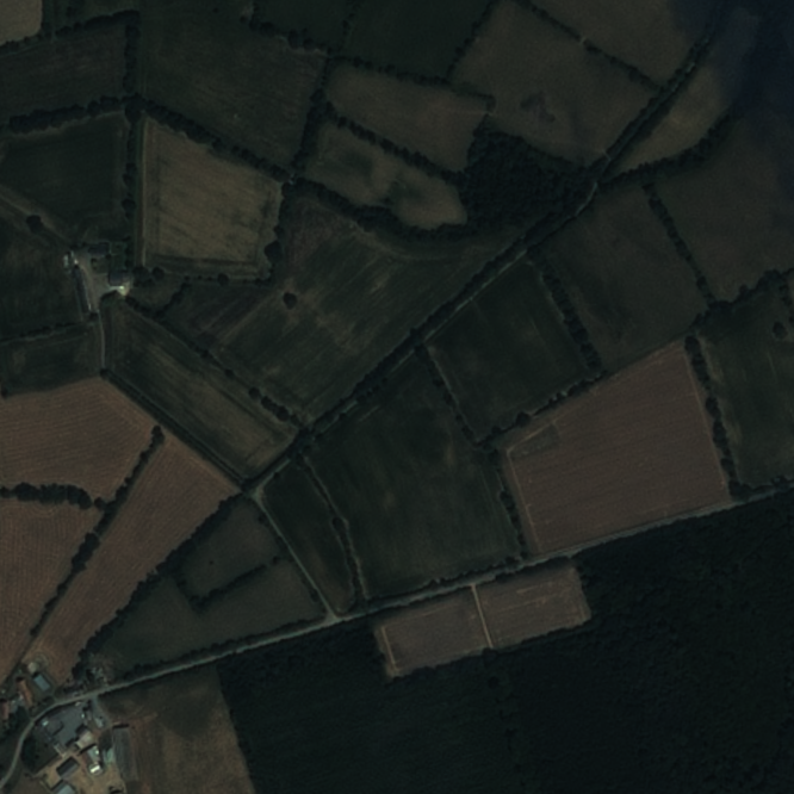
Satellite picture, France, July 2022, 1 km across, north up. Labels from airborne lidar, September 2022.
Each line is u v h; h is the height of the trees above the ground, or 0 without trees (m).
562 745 13
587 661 15
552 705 13
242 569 0
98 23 14
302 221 0
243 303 0
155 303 0
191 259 0
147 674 8
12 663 0
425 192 0
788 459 0
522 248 10
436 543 0
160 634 0
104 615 0
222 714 0
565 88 0
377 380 15
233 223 0
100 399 0
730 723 6
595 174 14
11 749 0
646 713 18
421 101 0
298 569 7
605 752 12
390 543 0
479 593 0
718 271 0
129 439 0
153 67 0
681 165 10
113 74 0
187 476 0
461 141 0
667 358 0
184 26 0
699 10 0
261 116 0
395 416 0
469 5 0
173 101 0
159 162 0
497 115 0
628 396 0
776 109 0
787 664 6
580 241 0
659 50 0
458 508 0
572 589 0
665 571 15
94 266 7
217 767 0
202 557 0
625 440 0
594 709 11
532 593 0
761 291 11
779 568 6
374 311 0
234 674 15
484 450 8
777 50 19
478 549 0
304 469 9
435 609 0
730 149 0
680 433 0
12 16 0
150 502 0
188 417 0
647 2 0
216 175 0
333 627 7
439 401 0
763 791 21
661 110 12
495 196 24
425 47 0
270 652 12
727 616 5
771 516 7
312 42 9
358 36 0
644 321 0
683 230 0
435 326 14
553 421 0
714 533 7
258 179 0
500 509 0
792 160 0
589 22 0
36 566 0
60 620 0
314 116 14
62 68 0
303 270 0
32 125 14
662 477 0
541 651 11
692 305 0
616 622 14
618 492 0
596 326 0
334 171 0
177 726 0
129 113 14
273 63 0
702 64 10
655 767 13
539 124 0
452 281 0
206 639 0
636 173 10
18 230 0
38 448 0
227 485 0
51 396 0
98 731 0
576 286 0
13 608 0
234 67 0
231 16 0
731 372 0
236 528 0
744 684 5
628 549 15
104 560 0
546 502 0
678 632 18
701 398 0
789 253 0
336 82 0
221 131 0
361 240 0
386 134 0
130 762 0
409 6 0
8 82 0
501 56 0
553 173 9
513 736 21
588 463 0
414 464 0
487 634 0
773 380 0
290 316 0
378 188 0
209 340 0
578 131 0
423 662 0
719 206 0
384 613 10
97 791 0
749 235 0
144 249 0
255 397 12
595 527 0
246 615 0
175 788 0
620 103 0
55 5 0
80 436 0
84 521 0
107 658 0
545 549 0
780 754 7
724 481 0
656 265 0
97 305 0
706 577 6
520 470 0
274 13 0
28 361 0
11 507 0
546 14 11
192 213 0
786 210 0
